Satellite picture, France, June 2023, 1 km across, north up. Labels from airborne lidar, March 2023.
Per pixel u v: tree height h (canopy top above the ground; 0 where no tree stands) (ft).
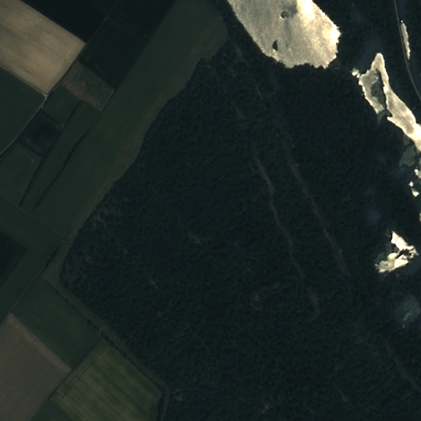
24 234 0
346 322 60
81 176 0
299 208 29
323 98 73
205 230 62
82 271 68
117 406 0
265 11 0
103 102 0
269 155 68
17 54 0
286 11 0
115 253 61
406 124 0
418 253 0
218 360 70
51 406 0
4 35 0
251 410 56
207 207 51
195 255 58
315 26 0
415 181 0
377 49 0
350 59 24
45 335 0
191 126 59
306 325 32
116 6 0
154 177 55
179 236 59
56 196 0
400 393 90
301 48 0
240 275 57
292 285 87
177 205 55
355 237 50
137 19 0
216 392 65
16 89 0
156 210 55
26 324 0
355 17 0
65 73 0
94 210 18
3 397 0
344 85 36
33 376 0
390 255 0
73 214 0
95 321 0
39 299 0
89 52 0
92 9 0
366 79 0
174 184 32
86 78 0
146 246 59
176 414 30
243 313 53
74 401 0
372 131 58
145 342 55
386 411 80
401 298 48
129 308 51
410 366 107
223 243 57
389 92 0
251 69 70
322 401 57
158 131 45
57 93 0
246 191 54
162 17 0
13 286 0
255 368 67
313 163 44
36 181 0
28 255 0
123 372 0
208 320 38
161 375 22
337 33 0
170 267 42
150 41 0
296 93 66
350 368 58
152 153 57
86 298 46
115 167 0
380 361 55
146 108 0
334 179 22
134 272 56
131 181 55
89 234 60
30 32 0
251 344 72
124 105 0
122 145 0
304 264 66
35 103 0
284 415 23
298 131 45
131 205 46
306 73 69
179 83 0
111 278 62
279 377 25
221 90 62
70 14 0
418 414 66
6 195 0
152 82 0
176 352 30
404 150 0
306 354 46
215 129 73
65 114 0
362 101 58
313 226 23
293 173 29
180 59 0
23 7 0
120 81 0
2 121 0
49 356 0
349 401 55
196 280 55
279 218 61
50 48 0
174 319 44
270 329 65
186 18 0
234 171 47
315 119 73
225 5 0
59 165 0
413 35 55
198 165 55
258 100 65
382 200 65
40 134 0
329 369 41
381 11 49
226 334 22
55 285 0
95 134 0
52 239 0
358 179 58
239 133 52
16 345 0
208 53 0
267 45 0
